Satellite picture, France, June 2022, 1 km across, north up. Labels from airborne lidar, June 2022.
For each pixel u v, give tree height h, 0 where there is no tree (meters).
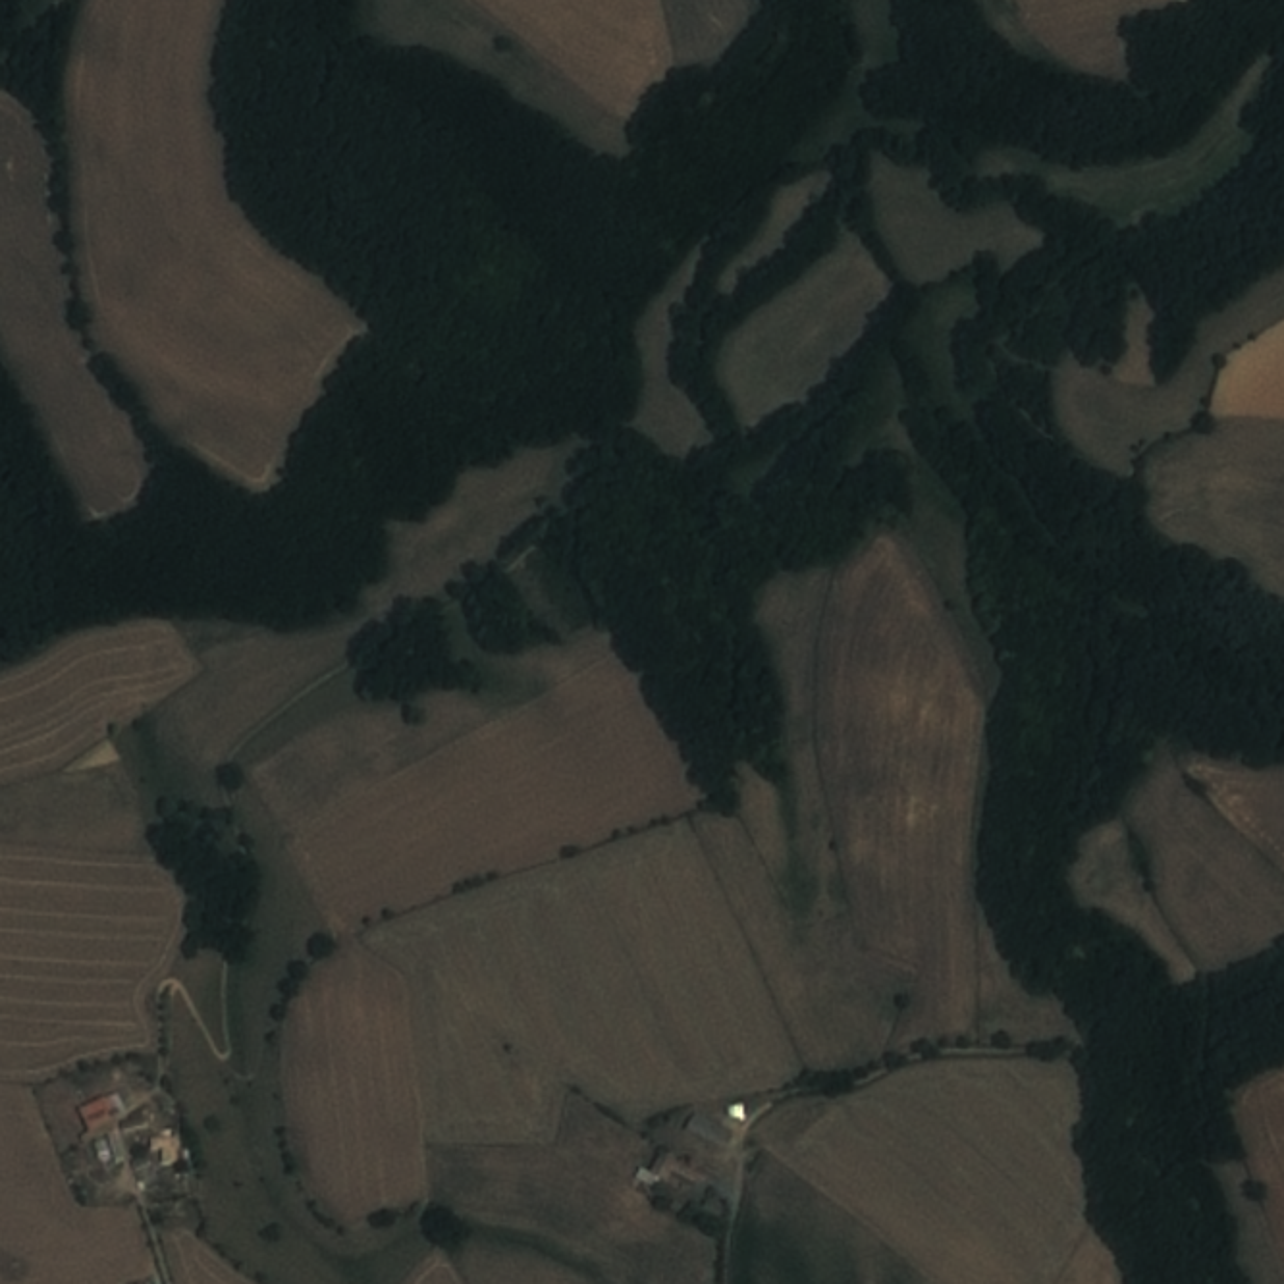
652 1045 0
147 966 0
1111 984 21
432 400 20
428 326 16
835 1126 0
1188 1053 19
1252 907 0
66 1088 0
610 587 24
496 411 24
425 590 0
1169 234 27
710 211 11
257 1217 0
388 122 25
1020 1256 0
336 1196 0
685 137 8
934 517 0
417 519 20
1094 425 0
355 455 25
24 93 18
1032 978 13
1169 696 25
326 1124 0
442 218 22
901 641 0
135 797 0
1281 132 20
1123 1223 20
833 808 0
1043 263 16
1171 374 8
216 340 0
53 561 22
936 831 0
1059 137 25
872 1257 0
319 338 0
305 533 19
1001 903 20
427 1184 0
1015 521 22
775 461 0
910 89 21
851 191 24
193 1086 0
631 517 20
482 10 0
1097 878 0
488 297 24
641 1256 0
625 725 0
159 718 0
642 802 0
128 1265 0
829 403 27
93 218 0
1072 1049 8
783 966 0
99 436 0
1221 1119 19
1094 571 11
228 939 22
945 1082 0
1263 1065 20
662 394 0
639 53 0
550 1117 0
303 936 0
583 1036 0
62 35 8
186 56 0
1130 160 11
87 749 0
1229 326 0
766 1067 0
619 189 10
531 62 0
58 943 0
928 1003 0
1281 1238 0
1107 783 20
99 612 25
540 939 0
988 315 15
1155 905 0
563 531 23
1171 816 0
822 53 10
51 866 0
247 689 0
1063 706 21
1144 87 18
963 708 0
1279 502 0
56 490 21
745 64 20
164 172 0
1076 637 21
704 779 19
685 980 0
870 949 0
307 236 18
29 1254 0
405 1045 0
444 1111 0
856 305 0
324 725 0
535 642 15
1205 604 20
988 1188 0
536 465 0
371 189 25
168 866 20
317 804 0
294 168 19
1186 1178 26
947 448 21
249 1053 0
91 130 0
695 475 24
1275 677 24
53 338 0
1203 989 16
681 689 23
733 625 31
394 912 9
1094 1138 17
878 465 20
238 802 0
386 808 0
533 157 25
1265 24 20
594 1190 0
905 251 0
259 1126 0
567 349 19
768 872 0
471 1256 0
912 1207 0
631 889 0
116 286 0
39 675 0
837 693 0
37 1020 0
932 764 0
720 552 25
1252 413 0
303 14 21
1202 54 20
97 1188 0
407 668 26
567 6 0
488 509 0
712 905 0
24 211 0
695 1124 0
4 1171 0
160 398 0
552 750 0
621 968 0
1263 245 21
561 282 22
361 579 23
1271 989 17
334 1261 0
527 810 0
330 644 0
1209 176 0
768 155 10
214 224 0
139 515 16
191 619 16
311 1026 0
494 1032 0
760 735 22
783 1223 0
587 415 18
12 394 16
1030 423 9
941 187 17
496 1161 0
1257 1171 0
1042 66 12
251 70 22
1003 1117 0
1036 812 22
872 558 0
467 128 27
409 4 0
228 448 0
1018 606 21
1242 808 0
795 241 21
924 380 20
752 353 0
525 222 27
